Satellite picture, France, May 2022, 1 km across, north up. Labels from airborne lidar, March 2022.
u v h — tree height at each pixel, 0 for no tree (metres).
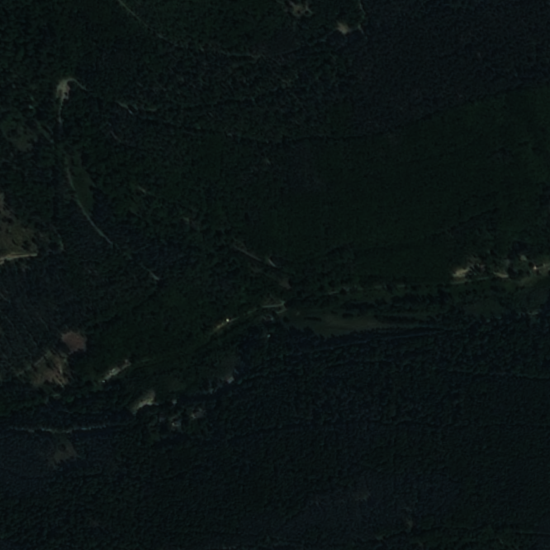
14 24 35
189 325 20
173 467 18
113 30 18
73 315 29
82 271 16
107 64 20
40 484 24
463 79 30
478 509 17
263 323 0
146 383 0
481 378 19
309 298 14
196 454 15
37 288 34
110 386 24
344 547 16
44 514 21
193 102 24
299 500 17
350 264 24
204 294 21
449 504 24
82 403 34
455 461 21
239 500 19
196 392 0
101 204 26
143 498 20
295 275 7
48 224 24
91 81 20
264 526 17
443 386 16
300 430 20
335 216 24
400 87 32
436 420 29
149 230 19
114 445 30
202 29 24
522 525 13
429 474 20
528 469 13
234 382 0
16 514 25
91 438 21
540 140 23
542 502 12
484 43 29
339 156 16
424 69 30
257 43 25
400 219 20
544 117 21
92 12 21
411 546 19
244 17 21
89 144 31
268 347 11
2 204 0
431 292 0
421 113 28
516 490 11
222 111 26
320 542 22
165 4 15
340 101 19
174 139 16
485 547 22
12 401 25
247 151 21
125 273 22
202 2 15
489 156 26
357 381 14
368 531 20
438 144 21
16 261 0
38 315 23
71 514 23
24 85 33
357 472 26
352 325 0
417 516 24
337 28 6
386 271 21
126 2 14
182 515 22
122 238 23
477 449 16
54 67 28
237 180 24
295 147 29
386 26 23
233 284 18
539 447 9
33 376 0
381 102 28
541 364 10
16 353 18
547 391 16
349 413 27
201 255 26
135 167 24
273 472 13
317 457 18
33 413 29
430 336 21
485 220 20
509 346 19
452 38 25
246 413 15
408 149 19
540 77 32
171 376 0
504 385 17
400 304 18
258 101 26
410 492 23
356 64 28
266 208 20
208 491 14
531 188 21
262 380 16
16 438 22
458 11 28
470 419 15
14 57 36
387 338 12
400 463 24
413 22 28
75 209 26
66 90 0
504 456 13
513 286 0
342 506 19
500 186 17
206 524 19
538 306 0
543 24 25
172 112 24
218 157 16
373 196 22
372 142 19
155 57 21
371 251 19
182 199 23
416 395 17
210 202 21
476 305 0
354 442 24
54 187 29
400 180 21
